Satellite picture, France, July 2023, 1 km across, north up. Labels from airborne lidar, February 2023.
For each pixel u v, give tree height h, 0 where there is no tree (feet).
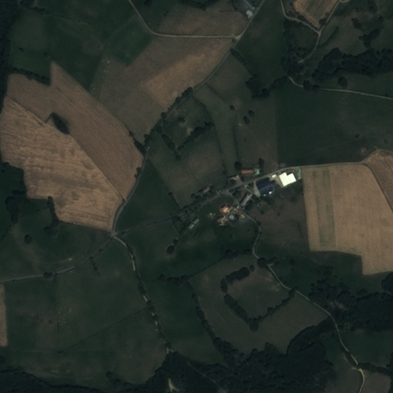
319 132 0
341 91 0
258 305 0
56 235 33
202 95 0
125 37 0
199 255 0
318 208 0
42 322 0
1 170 0
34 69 0
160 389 54
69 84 0
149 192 0
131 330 0
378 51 0
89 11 0
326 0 0
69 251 0
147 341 0
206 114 0
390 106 0
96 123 0
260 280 0
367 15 0
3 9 78
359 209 0
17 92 0
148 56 0
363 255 0
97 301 0
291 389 64
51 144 0
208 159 0
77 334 0
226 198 0
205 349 0
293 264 27
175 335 0
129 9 0
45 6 0
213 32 0
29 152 0
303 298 0
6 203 0
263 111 0
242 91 0
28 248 0
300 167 0
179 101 44
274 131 0
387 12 0
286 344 0
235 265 0
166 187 0
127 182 0
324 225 0
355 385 0
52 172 0
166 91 0
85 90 0
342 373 0
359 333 0
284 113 0
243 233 0
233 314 0
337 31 18
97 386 0
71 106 0
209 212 0
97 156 0
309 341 75
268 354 31
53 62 0
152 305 33
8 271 0
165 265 0
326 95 0
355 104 0
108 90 0
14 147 0
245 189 0
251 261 0
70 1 0
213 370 71
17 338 0
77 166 0
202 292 0
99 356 0
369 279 0
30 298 0
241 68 0
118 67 0
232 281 50
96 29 0
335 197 0
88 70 0
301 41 0
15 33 0
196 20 0
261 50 0
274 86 21
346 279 0
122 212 0
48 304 0
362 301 75
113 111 0
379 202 0
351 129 0
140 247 0
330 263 0
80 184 0
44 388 80
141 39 0
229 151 0
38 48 0
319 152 0
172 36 0
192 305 0
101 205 0
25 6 47
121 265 0
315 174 0
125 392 22
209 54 0
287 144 0
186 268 0
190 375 41
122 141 0
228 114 0
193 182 0
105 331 0
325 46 25
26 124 0
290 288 0
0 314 0
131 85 0
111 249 0
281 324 0
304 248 0
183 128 0
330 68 19
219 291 0
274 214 0
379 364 0
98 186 0
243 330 0
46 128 0
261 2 0
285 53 0
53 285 0
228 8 0
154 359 0
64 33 0
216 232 21
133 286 0
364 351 0
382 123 0
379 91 0
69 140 0
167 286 0
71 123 0
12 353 0
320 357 100
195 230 0
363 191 0
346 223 0
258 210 0
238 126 0
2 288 0
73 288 0
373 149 0
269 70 0
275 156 0
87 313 0
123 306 0
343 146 0
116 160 0
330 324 32
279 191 0
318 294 74
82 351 0
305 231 0
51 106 0
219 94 0
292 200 0
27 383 81
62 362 0
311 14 0
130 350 0
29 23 0
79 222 0
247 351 0
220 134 0
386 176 0
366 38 50
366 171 0
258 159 0
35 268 0
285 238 0
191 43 0
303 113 0
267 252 0
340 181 0
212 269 0
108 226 0
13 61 0
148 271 0
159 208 0
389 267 0
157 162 0
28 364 0
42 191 0
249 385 43
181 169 0
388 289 82
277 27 0
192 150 0
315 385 48
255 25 0
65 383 0
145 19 0
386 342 0
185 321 0
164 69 0
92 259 31
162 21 0
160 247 0
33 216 0
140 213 0
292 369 81
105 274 0
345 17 33
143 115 0
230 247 0
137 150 0
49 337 0
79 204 0
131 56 0
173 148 49
